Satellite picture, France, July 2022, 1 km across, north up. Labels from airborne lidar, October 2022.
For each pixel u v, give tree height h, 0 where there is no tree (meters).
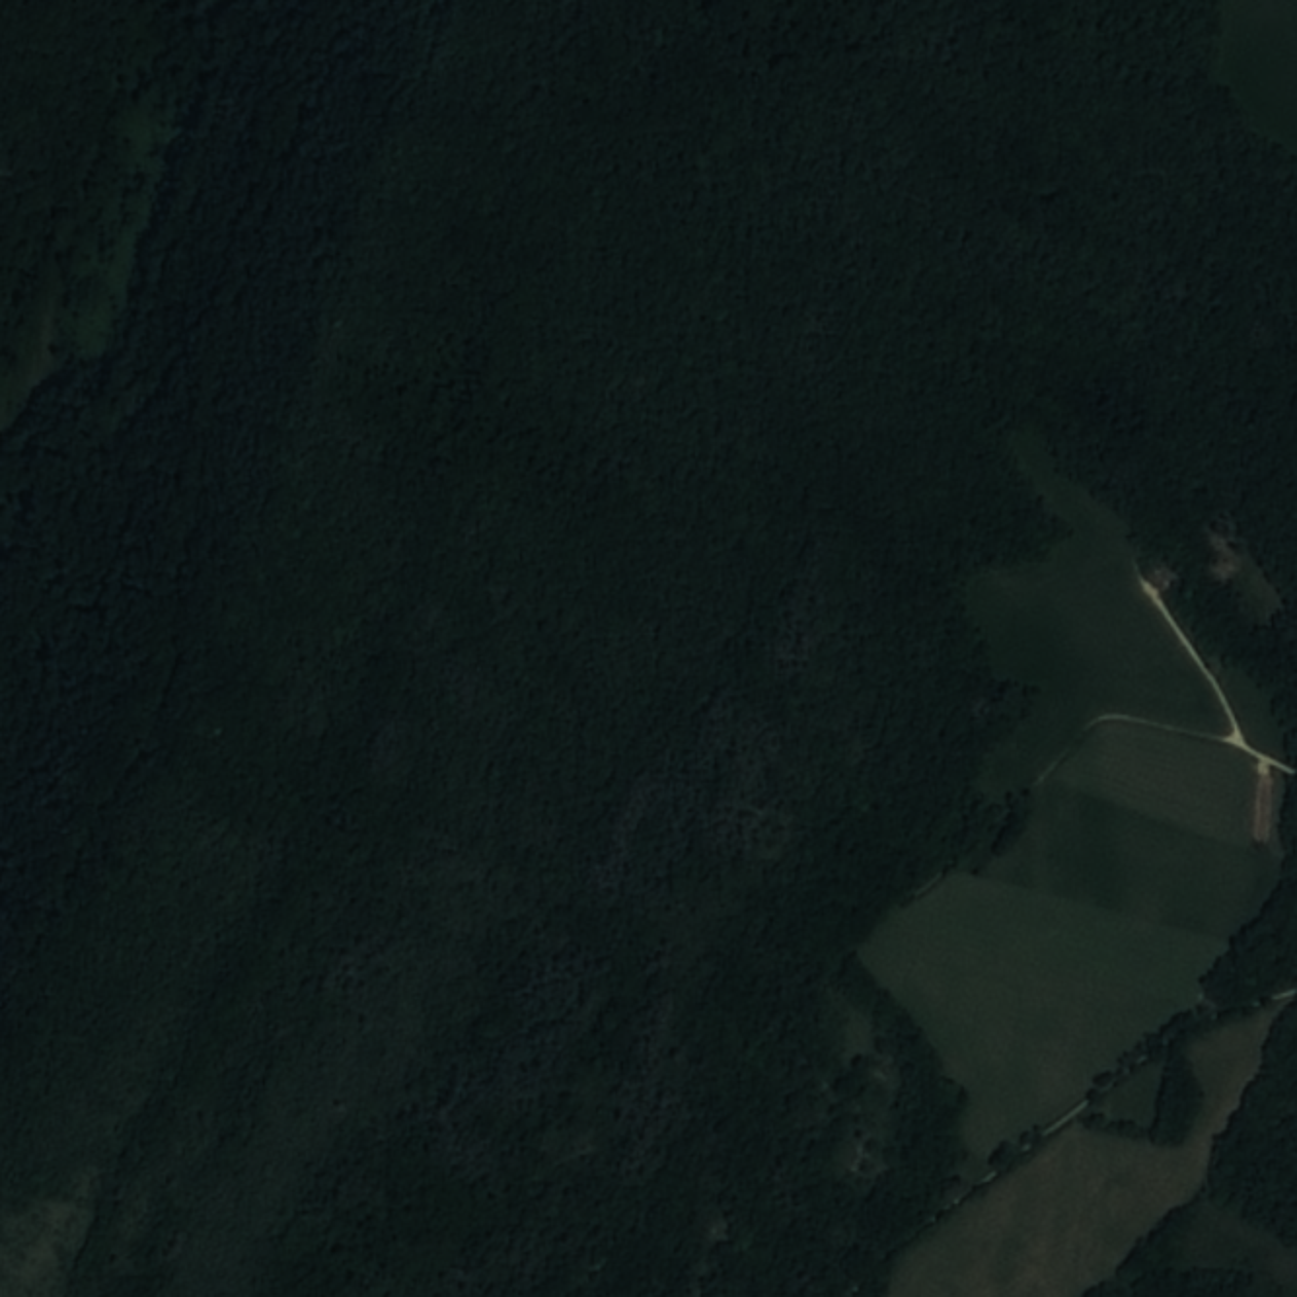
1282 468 13
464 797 10
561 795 9
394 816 14
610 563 12
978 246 18
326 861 17
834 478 22
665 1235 15
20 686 27
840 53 22
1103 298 14
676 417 14
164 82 7
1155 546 8
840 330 16
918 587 17
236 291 25
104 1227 14
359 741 16
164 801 10
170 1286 7
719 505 15
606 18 20
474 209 16
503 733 8
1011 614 0
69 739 28
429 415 10
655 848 15
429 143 12
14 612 29
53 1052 10
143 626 32
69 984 11
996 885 0
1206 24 15
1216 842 0
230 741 15
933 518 17
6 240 27
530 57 16
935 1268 0
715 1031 8
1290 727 10
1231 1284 13
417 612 24
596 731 13
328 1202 15
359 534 11
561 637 14
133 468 30
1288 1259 0
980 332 13
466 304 17
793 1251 14
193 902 8
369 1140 12
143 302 20
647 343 16
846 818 13
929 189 13
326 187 19
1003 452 17
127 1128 6
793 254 18
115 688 26
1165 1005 0
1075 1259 0
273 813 17
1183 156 13
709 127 23
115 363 17
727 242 16
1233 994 13
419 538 14
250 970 18
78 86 23
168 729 21
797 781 9
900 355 16
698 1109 13
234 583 19
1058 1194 0
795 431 16
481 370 20
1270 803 0
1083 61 17
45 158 25
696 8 22
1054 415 15
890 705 9
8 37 16
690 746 12
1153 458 14
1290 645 16
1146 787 0
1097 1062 0
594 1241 9
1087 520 0
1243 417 22
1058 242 15
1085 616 0
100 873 24
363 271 10
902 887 12
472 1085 22
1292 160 13
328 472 11
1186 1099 14
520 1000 22
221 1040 14
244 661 14
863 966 11
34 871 30
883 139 17
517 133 19
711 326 12
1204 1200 6
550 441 22
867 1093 10
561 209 14
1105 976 0
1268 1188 15
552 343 18
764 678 15
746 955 7
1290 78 0
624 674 10
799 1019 10
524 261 21
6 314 31
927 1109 15
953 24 14
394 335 14
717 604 13
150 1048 6
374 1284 15
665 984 13
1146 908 0
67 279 5
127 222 6
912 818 17
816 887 16
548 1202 15
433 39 13
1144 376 16
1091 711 0
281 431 17
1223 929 0
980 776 15
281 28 30
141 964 9
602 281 15
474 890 11
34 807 32
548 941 11
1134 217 12
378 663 17
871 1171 8
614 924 11
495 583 16
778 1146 9
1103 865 0
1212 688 0
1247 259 13
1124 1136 7
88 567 33
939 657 16
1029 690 8
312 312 16
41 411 20
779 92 18
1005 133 20
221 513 15
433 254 15
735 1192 10
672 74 22
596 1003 13
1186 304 13
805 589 16
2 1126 5
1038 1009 0
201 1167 6
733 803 20
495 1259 10
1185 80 17
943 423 15
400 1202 20
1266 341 23
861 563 17
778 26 17
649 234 16
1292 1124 15
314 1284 9
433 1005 8
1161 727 0
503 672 14
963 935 0
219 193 22
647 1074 19
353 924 10
